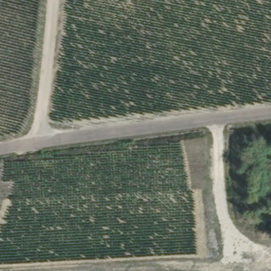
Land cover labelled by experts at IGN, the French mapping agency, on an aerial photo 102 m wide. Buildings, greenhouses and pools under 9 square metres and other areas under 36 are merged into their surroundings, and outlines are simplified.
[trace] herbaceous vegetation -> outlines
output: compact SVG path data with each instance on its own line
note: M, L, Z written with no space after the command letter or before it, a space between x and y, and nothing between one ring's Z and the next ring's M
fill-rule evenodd
M223 256L223 240L211 178L213 134L209 128L147 133L132 135L130 138L137 140L137 146L144 148L168 146L170 143L179 143L181 148L186 147L192 186L202 192L205 235L214 230L218 246L218 249L209 250L209 257L180 258L179 261L197 263L216 263Z

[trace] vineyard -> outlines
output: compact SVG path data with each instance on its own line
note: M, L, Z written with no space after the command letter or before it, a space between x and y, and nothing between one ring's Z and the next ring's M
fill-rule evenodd
M209 250L218 249L218 246L214 230L205 235L202 192L192 186L186 147L181 148L179 143L170 143L168 146L144 148L137 146L137 140L130 138L58 145L26 152L23 155L0 155L0 271L199 271L197 263L179 261L180 258L209 257Z
M0 141L22 137L29 133L34 122L48 0L0 0Z
M56 75L49 105L49 125L61 129L62 133L189 119L197 112L209 112L207 107L217 107L218 112L223 112L236 111L242 105L246 109L252 109L266 107L267 103L271 103L271 0L59 0L53 62L53 71Z

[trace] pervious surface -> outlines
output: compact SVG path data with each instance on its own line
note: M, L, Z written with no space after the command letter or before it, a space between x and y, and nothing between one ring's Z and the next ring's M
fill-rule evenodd
M212 125L209 128L213 134L211 178L223 240L223 256L216 263L197 263L199 271L271 271L271 247L257 245L242 235L230 218L222 156L224 127Z
M53 71L53 62L59 0L48 0L34 122L29 133L22 137L51 138L62 133L61 129L49 125L49 105L56 75Z

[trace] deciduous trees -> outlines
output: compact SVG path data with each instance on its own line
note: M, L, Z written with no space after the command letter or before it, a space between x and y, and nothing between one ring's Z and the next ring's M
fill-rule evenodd
M224 127L222 156L230 218L242 235L257 245L271 247L271 119L228 123Z

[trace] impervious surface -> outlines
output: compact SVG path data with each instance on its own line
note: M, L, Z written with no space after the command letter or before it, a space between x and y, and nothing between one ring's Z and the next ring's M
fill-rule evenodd
M271 103L267 103L266 107L252 109L246 109L242 105L236 111L223 112L218 112L217 107L207 107L209 112L197 112L189 119L62 133L51 138L22 137L0 141L0 155L23 155L26 152L58 145L130 138L132 135L147 133L209 128L212 125L224 127L228 123L271 119Z

